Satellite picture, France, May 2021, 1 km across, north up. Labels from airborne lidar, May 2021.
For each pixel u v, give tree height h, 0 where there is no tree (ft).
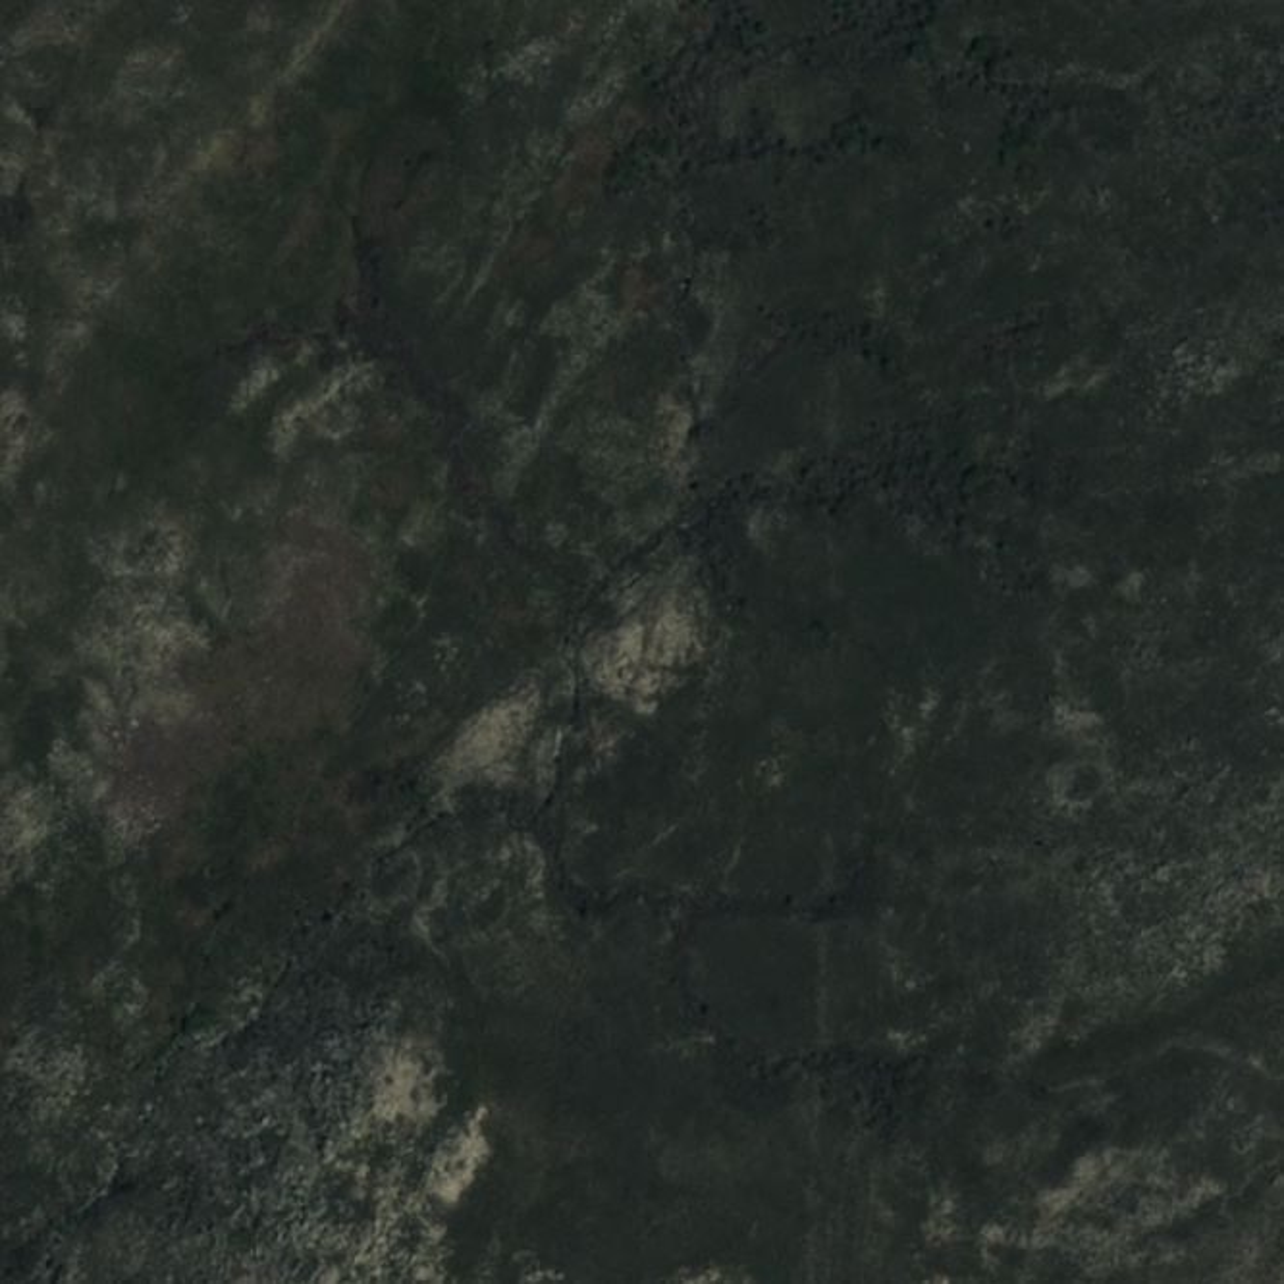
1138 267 0
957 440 0
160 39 0
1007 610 0
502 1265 0
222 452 0
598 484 0
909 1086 34
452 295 0
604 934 0
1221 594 0
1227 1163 0
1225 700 0
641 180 37
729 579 29
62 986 0
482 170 0
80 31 0
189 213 0
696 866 0
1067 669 0
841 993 0
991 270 0
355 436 0
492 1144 0
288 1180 0
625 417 0
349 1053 0
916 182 0
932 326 0
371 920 0
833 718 0
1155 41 0
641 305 0
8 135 0
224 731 0
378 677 0
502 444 0
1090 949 0
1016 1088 0
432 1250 0
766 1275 0
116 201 0
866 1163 0
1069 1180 0
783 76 0
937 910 0
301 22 0
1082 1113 0
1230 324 0
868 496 0
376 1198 0
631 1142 0
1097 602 0
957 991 0
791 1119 0
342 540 0
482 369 0
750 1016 0
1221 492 0
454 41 0
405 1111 0
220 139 0
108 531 0
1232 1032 0
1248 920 0
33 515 0
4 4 0
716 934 0
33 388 0
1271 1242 0
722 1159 0
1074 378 0
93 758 0
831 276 0
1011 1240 0
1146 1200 0
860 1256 0
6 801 0
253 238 0
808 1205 0
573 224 0
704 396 0
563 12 0
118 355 0
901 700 0
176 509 0
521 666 0
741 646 0
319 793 0
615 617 0
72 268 0
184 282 0
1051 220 0
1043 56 0
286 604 0
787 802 0
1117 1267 0
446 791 0
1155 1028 0
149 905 0
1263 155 0
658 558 0
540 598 0
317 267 0
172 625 0
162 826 0
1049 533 0
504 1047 0
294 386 0
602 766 0
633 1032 0
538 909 0
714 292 0
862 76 0
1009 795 0
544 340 0
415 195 0
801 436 0
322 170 0
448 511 0
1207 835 0
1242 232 0
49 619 0
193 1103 0
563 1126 0
